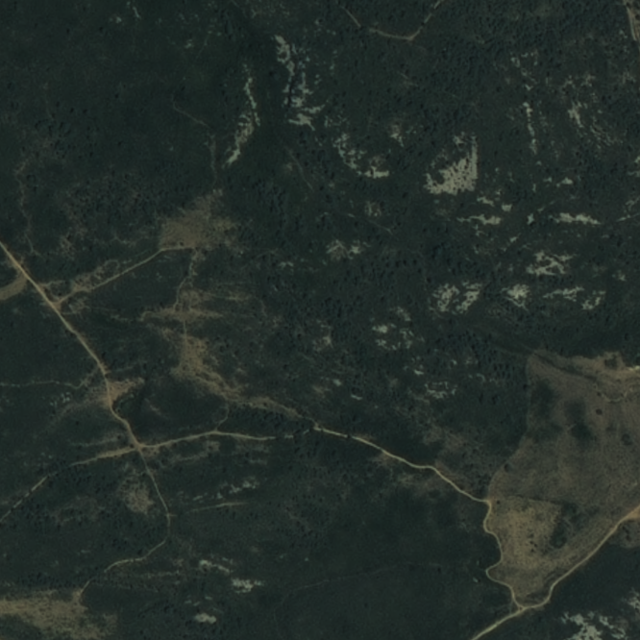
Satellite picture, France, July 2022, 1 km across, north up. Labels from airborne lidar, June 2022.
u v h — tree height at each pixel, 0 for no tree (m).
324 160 10
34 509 11
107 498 7
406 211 7
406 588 0
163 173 10
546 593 0
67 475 12
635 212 0
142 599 0
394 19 11
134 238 0
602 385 0
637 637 0
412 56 7
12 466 0
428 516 0
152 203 7
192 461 0
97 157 9
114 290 0
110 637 0
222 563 0
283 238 11
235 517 8
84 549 0
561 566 0
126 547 12
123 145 13
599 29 8
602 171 10
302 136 12
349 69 6
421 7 8
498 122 0
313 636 0
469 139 6
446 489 0
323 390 0
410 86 0
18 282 0
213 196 0
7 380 0
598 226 0
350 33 10
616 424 0
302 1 0
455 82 9
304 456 10
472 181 0
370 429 7
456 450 0
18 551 0
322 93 0
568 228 0
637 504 0
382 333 0
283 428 12
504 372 12
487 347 13
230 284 0
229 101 10
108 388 0
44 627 0
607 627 0
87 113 13
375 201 8
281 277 8
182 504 0
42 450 0
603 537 0
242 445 0
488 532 0
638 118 8
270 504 7
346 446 6
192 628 11
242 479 0
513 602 0
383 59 9
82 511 7
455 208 0
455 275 10
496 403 12
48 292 7
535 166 0
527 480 0
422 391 6
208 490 0
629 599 0
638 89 0
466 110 10
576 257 0
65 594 0
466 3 7
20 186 0
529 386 15
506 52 11
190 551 0
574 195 9
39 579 10
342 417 7
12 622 0
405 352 8
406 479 0
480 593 0
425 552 0
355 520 0
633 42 8
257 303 0
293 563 0
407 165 8
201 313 0
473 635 0
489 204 0
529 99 10
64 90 0
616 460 0
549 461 0
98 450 0
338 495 7
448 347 16
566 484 0
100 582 7
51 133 9
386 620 0
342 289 9
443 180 0
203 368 0
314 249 9
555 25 9
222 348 8
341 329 10
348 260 11
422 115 6
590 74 0
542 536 0
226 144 0
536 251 0
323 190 9
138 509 0
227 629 9
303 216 11
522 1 6
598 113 0
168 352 0
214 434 0
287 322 6
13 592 0
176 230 0
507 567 0
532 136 0
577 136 0
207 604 0
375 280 11
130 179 10
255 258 7
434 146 13
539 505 0
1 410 0
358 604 0
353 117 0
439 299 0
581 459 0
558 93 9
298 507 7
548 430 0
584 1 10
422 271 15
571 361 0
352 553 0
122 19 0
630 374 0
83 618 0
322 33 0
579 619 0
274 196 14
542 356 0
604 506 0
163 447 0
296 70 7
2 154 0
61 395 0
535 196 7
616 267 0
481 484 6
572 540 0
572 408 0
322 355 6
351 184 6
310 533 8
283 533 7
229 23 13
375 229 10
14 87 12
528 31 11
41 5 0
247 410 6
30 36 0
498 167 0
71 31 9
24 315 0
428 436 0
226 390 0
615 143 0
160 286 0
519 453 0
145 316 0
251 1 0
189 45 0
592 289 0
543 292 0
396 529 0
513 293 0
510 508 0
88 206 6
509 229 0
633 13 0
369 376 7
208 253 8
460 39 6
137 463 7
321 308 7
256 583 0
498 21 8
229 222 0
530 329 12
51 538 0
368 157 0
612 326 11
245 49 10
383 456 0
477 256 0
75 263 8
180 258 0
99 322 0
